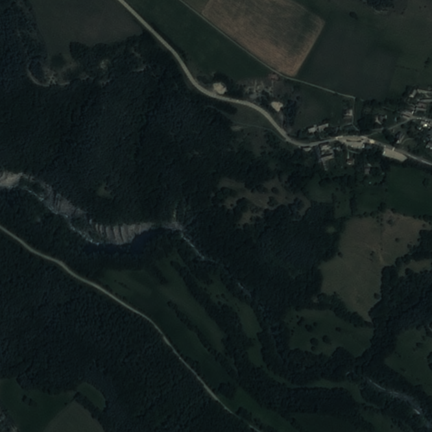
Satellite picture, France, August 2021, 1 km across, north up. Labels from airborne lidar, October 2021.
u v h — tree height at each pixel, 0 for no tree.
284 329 20
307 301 13
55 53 0
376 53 0
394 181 0
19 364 25
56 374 27
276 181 0
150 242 18
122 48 9
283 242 13
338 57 0
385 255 0
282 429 0
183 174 19
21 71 16
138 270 9
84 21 0
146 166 22
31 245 15
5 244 23
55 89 10
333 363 21
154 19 0
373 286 0
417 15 0
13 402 0
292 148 0
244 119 0
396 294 18
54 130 22
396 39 0
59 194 14
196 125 13
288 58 0
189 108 14
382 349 28
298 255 13
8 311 19
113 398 20
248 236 18
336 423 0
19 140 22
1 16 17
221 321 15
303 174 7
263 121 0
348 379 7
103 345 21
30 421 0
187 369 18
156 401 21
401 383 20
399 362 0
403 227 0
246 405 0
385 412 14
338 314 15
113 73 18
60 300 13
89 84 18
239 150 10
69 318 15
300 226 13
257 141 0
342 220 14
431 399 10
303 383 13
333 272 0
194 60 0
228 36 0
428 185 11
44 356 28
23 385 23
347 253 0
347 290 0
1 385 0
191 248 20
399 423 9
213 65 0
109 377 24
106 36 0
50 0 0
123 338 22
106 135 18
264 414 0
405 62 0
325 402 19
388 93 0
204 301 16
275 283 21
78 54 12
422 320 15
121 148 26
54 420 0
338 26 0
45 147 18
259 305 19
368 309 0
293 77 0
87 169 11
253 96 0
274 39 0
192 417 17
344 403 20
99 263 16
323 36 0
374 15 0
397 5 0
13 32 16
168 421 23
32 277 20
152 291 0
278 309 26
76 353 15
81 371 15
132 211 17
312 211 13
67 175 21
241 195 0
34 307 12
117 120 17
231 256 19
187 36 0
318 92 0
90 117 18
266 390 15
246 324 0
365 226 0
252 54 0
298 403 21
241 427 25
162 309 0
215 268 24
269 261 6
